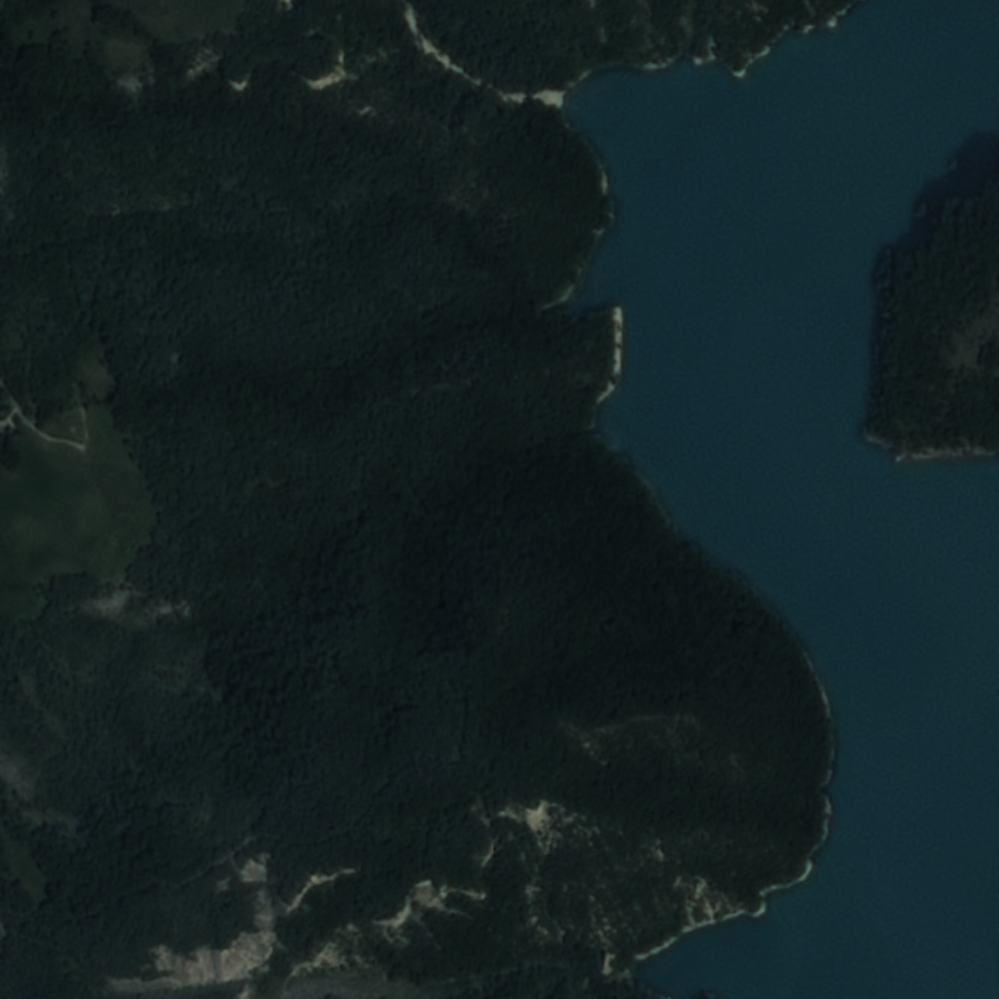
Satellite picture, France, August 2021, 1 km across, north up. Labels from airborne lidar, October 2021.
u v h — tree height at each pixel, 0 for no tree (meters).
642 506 26
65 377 11
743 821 8
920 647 0
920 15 0
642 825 9
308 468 11
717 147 0
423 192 12
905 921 0
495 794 11
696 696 12
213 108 13
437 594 21
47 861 12
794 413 0
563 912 7
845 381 0
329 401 21
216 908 9
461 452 18
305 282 11
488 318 21
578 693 16
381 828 11
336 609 11
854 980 0
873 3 0
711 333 0
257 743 14
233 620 10
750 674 18
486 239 10
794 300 0
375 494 17
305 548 19
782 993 0
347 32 11
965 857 0
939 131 0
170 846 16
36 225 15
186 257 10
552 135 18
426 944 10
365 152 17
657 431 0
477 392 13
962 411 12
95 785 9
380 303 15
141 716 8
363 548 15
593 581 21
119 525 0
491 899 8
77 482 0
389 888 15
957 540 0
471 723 13
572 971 7
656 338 0
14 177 7
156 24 0
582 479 23
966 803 0
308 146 14
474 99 24
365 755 15
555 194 14
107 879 15
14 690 11
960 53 0
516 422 19
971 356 0
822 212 0
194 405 12
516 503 21
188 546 10
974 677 0
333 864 11
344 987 0
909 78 0
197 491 13
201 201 8
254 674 17
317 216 15
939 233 19
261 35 8
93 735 9
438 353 16
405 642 25
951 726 0
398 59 10
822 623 0
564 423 16
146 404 11
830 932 0
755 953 0
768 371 0
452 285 14
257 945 0
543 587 15
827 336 0
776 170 0
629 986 10
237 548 17
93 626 9
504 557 17
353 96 10
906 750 0
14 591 0
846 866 0
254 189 16
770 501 0
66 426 0
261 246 16
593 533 21
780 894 0
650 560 24
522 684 20
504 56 10
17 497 0
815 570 0
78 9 0
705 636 22
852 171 0
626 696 24
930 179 0
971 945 0
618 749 6
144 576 7
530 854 7
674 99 0
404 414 11
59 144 9
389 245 18
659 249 0
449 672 15
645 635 30
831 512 0
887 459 0
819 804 7
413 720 13
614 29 12
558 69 14
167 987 6
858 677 0
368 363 21
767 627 20
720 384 0
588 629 27
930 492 0
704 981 0
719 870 9
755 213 0
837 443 0
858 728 0
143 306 9
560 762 14
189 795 7
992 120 0
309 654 17
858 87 0
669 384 0
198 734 9
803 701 13
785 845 7
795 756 12
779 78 0
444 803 6
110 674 7
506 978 8
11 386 12
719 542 0
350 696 14
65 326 10
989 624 0
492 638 9
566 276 12
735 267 0
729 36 11
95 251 9
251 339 14
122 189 7
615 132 0
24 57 17
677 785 28
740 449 0
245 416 14
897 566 0
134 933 8
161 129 8
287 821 13
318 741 13
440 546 23
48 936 10
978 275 12
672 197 0
